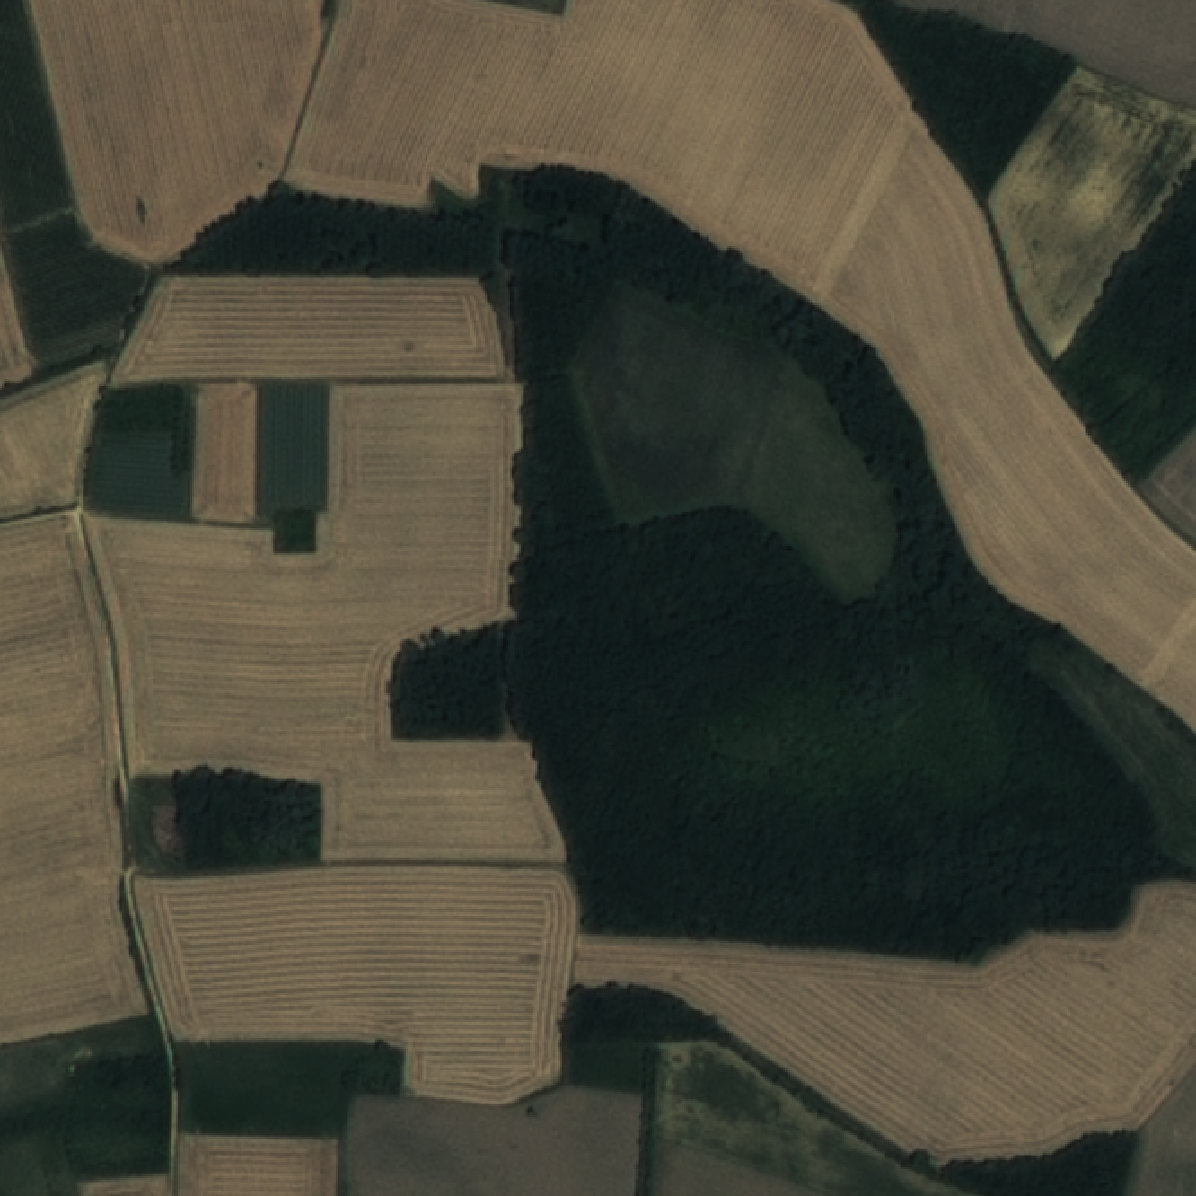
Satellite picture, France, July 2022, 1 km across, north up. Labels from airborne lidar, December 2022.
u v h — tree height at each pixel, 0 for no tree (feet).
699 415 0
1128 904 44
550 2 0
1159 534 0
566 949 0
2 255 0
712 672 70
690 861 52
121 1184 0
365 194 0
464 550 0
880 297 0
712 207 0
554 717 75
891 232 0
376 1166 0
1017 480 0
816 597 55
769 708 20
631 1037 30
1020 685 51
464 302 0
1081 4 0
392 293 0
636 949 0
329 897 0
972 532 0
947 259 0
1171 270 37
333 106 0
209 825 74
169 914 0
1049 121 0
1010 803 41
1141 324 57
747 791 24
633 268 0
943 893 60
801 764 38
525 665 96
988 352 0
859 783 24
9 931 0
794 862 62
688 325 0
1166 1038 0
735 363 0
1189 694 0
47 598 0
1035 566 0
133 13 0
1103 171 0
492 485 0
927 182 0
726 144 0
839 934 47
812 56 0
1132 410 25
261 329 0
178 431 19
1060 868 70
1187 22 0
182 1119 0
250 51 0
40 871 0
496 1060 0
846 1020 0
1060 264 0
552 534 70
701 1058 0
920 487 93
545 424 32
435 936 0
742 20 0
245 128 0
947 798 23
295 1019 0
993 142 30
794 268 0
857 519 0
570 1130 0
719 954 0
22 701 0
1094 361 30
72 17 0
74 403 0
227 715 0
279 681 0
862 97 0
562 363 25
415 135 0
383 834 0
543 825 0
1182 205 52
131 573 0
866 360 28
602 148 0
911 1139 0
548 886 0
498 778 0
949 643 51
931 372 0
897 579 28
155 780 0
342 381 0
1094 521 0
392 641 0
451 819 0
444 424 0
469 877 0
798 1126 0
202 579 0
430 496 0
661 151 0
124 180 0
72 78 0
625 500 0
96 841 0
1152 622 0
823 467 0
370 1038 0
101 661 0
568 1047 27
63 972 0
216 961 0
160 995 0
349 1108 0
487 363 0
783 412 0
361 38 0
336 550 0
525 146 0
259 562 0
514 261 0
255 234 0
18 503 0
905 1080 0
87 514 0
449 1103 0
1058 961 0
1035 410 0
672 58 0
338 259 0
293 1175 0
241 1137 0
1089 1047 0
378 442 0
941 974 0
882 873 64
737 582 67
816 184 0
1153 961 0
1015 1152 0
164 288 0
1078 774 26
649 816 44
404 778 0
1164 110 0
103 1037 0
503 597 0
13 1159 0
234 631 0
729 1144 0
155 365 0
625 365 0
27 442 0
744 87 0
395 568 0
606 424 0
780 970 0
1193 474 0
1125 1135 29
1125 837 60
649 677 73
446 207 0
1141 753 0
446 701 89
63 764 0
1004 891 45
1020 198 0
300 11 0
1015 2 0
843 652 67
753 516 31
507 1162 0
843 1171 0
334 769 0
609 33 0
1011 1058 0
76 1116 20
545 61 0
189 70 0
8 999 0
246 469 0
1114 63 0
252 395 0
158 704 0
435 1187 0
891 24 36
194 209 0
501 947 0
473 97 0
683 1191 0
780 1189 0
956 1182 41
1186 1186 0
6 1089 0
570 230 63
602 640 67
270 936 0
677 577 57
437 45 0
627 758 42
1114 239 0
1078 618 0
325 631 0
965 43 49
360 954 0
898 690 52
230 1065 0
